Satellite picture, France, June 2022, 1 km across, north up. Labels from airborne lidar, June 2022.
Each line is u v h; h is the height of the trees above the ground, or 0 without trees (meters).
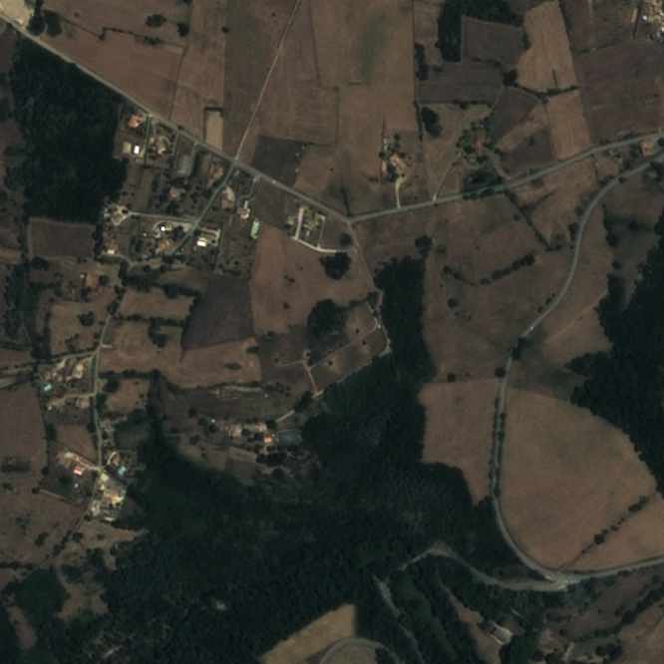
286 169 0
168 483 10
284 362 0
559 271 0
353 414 12
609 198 0
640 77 0
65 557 0
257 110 0
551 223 0
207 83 0
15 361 0
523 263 10
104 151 7
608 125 0
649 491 0
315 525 17
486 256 0
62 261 0
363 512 10
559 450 0
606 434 0
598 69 0
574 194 0
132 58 0
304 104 0
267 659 0
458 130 0
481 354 0
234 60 0
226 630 6
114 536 0
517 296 0
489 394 0
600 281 0
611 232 7
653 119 0
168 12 0
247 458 0
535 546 0
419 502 11
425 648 20
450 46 9
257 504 13
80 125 7
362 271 0
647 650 0
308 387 0
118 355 0
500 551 8
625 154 0
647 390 21
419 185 0
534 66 0
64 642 21
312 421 11
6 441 0
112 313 6
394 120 0
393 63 0
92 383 0
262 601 20
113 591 12
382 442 13
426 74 10
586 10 0
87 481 0
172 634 18
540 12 0
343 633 0
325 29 0
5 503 0
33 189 10
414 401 7
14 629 8
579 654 0
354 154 0
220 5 0
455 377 9
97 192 9
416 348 10
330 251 0
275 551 12
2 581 0
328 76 0
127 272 9
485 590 21
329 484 8
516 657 40
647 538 0
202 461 0
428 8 0
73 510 0
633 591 0
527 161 0
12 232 0
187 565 13
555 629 0
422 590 17
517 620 8
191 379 0
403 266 8
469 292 0
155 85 0
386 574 22
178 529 11
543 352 0
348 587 8
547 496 0
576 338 0
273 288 0
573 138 0
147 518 8
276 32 0
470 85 0
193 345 0
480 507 9
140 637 18
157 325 26
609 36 0
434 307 0
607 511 0
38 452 0
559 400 0
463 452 0
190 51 0
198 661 19
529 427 0
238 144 0
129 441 0
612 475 0
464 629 23
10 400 0
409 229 0
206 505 11
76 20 0
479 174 7
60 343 0
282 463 12
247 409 0
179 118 0
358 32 0
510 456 0
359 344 0
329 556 19
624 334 20
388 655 14
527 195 0
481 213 0
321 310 8
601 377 19
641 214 0
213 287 0
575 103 0
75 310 0
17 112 8
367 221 0
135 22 0
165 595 10
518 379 0
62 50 0
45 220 0
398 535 15
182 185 8
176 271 0
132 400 0
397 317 9
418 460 16
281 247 0
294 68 0
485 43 0
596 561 0
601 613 7
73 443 0
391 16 0
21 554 0
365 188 0
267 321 0
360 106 0
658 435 23
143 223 0
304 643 0
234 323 0
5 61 0
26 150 7
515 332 0
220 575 9
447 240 0
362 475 10
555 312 0
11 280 14
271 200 0
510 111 0
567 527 0
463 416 0
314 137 0
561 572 0
